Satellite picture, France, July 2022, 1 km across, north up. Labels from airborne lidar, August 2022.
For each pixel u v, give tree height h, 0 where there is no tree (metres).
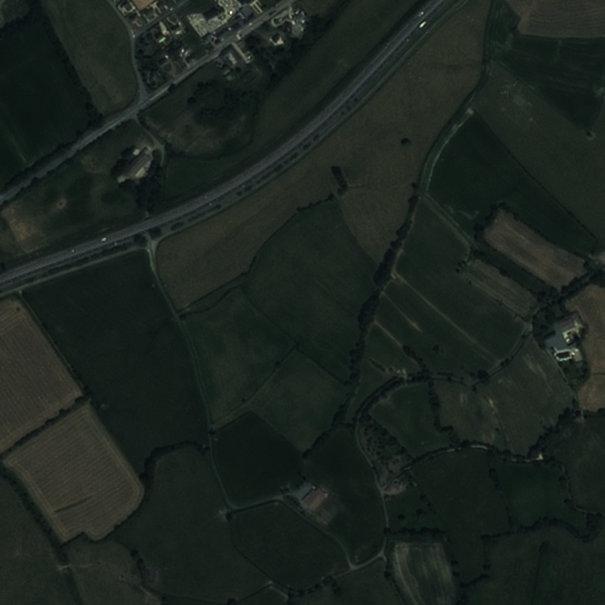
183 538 0
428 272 0
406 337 0
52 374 0
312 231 0
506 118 0
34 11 20
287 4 0
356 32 0
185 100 0
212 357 0
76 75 19
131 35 0
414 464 12
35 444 0
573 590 0
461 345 0
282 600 0
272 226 0
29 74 0
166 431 0
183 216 0
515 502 0
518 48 0
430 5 0
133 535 0
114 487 0
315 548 0
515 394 0
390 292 0
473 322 0
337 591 15
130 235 0
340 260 0
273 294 0
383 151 0
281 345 0
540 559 0
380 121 0
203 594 0
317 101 0
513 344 0
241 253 0
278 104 0
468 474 0
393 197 0
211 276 0
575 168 0
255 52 14
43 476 0
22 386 0
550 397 0
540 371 0
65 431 0
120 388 0
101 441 0
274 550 0
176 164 0
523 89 0
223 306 0
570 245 0
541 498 0
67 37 0
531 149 0
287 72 12
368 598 0
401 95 0
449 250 0
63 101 0
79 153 11
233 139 0
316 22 10
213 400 0
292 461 0
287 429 0
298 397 0
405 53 0
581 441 0
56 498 0
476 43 0
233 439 0
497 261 0
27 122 0
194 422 0
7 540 0
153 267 0
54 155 12
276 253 0
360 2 0
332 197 13
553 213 0
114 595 0
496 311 0
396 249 19
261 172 0
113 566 0
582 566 0
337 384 0
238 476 0
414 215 0
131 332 0
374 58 0
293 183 0
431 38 0
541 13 0
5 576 0
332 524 0
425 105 0
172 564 0
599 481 0
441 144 0
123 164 15
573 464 0
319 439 8
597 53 0
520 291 0
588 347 0
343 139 0
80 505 0
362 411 9
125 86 0
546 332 9
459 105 0
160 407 0
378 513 0
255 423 0
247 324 0
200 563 0
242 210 0
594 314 0
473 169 0
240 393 0
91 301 0
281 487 0
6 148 0
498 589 0
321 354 0
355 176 0
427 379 10
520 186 0
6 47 0
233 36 0
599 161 0
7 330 0
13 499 0
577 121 0
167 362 0
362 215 0
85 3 0
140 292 0
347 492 0
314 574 0
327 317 0
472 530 0
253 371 0
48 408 0
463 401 0
